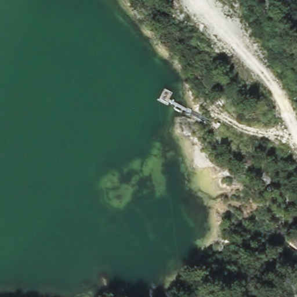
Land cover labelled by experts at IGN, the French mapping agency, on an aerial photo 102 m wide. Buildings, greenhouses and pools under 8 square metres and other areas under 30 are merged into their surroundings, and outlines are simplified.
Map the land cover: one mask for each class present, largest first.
<instances>
[{"label":"water","instance_id":"1","mask_svg":"<svg viewBox=\"0 0 297 297\"><path fill-rule=\"evenodd\" d=\"M137 12L131 7L130 0H0V297H150L148 291L152 284H155V287L162 285L168 288L176 276L181 274L184 266L211 273L216 268L236 265V260L218 259L216 256L217 251H223L224 246L229 244V240L222 238L220 231L223 213L227 208L219 194L232 195L236 193V189H242V184L222 182L224 176H229V171L212 164L208 155L201 152L200 140L191 135L184 125L187 122L201 121L203 115L200 106L196 104L194 97L190 86L184 84V77L180 72L182 66L168 58V50L160 43L159 36L139 26Z\"/></svg>","mask_w":297,"mask_h":297},{"label":"brushwood","instance_id":"2","mask_svg":"<svg viewBox=\"0 0 297 297\"><path fill-rule=\"evenodd\" d=\"M131 7L137 12L139 26L159 36L160 43L168 50V58L182 66L180 72L184 77V84L190 86L194 97H203L212 104L220 99L230 100L236 108L237 119L241 124L260 129L274 128L283 121L282 117L276 115V103L271 90L262 82L256 81L252 85H247L244 79L239 78L232 59L225 52H215L211 39L201 30L196 26H184L181 20L175 19L172 15L174 2L167 3L164 0H130ZM242 14L239 19L241 24L248 23L252 30L249 37H253L254 43L258 44L261 50L267 51L266 67L287 93L297 118V0H239ZM203 115L201 121L187 122L184 125L191 135L200 140L201 152L208 155L212 164L229 171V176H224L222 182L242 184V189H236V193L232 195L219 194L227 208L223 213L220 231L233 229L234 225L240 222L249 230L281 233L287 244L291 241L283 224L291 223L294 217L271 203V198L283 202L278 190L263 181L262 176L256 178L254 173L247 172V168L252 166V160L244 162V154L252 152L255 146L259 145L261 137L237 131L232 125L211 115L207 107L202 104L200 106ZM268 146L275 147L276 153L277 155H280V157H288V155L292 153V148L290 147V145L282 143L281 139L274 138L273 140H271Z\"/></svg>","mask_w":297,"mask_h":297},{"label":"coniferous trees","instance_id":"3","mask_svg":"<svg viewBox=\"0 0 297 297\"><path fill-rule=\"evenodd\" d=\"M271 140L261 137L259 145L255 146L252 152L244 154V162L252 160V166L247 168V172L254 173L256 178L262 176L263 181L278 190L283 202L271 198V203L294 217L291 223L283 224L291 241L287 244L281 233L249 230L240 222L234 225L233 229L220 231L222 238L229 240V244L224 246L223 251H217L216 256L218 259L236 260V265L216 268L211 273L184 266L181 274L176 276L168 288L162 285L155 287V284H152L148 291L150 297H297V159L292 153L288 155V157H280V155H277L276 153L275 147L268 146Z\"/></svg>","mask_w":297,"mask_h":297},{"label":"pervious surface","instance_id":"4","mask_svg":"<svg viewBox=\"0 0 297 297\"><path fill-rule=\"evenodd\" d=\"M182 6L188 8L191 20L196 22V26L201 30L205 26L213 27L216 34L229 43L249 70H252L256 81L262 82L271 90L276 103V115L282 117L283 121L274 128L260 129L241 124L237 119L226 113L211 115L232 125L237 131L261 137L271 140H273L274 138L281 139L282 143L290 145V147L292 148V153L297 159V118L287 93L266 67L267 51L261 50L258 44L254 43L253 37H249L252 30L248 23L241 24L239 19L226 17L229 6H223L218 0H182Z\"/></svg>","mask_w":297,"mask_h":297},{"label":"herbaceous vegetation","instance_id":"5","mask_svg":"<svg viewBox=\"0 0 297 297\"><path fill-rule=\"evenodd\" d=\"M167 3L174 2L172 15L175 19L181 20L184 26H196V22L191 20L188 8L182 6V0H164ZM223 6H229L226 17L239 19L242 14L239 0H218ZM211 39L215 52H225L232 59L239 78L244 79L247 85H252L256 81L252 70H249L229 43L216 34L213 27L205 26L201 30ZM196 104L200 106L202 104L207 107L211 115L226 113L237 119L236 108L230 100L220 99L212 104L203 97H194Z\"/></svg>","mask_w":297,"mask_h":297}]
</instances>
